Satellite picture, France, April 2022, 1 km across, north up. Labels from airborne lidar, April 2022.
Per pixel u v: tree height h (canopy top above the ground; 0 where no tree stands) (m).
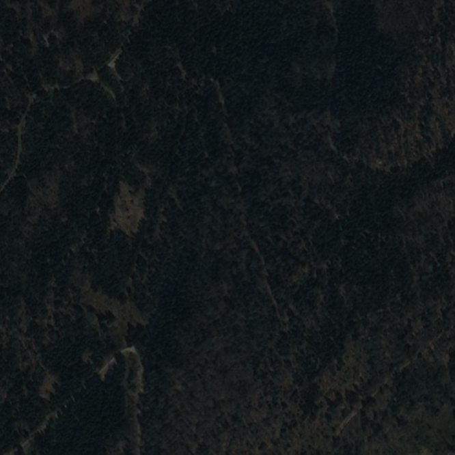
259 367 18
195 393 19
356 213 21
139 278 20
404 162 16
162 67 28
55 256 37
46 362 30
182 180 17
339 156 17
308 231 18
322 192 20
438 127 25
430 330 38
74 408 32
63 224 26
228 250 24
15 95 27
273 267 23
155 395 37
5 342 15
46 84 15
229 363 20
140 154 23
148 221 24
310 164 21
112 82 16
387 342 39
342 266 32
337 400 13
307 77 10
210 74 21
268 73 28
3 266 22
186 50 32
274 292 24
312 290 26
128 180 29
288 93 22
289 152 20
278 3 26
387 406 22
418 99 20
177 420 12
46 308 32
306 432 35
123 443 8
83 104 16
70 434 30
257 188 16
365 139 20
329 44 20
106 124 27
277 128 24
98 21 21
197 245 29
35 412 28
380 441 29
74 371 31
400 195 21
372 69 22
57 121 20
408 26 19
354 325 36
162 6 19
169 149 28
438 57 22
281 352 14
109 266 28
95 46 23
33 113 15
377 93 17
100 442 30
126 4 26
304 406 10
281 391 20
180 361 17
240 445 18
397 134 16
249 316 23
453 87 21
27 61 16
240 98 23
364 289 32
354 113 17
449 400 22
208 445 16
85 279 27
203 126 20
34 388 35
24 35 19
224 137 20
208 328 12
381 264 28
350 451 24
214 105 20
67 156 25
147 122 30
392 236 18
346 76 26
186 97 26
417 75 20
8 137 9
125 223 0
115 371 25
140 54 28
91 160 26
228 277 26
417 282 36
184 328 26
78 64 13
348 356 22
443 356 31
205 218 29
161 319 29
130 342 27
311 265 26
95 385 32
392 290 28
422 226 20
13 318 26
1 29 16
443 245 28
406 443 20
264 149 22
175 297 25
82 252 30
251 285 18
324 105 11
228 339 20
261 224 22
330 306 35
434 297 38
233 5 20
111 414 30
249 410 22
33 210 28
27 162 17
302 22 25
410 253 27
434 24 14
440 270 40
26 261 21
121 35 21
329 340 29
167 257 25
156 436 25
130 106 13
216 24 36
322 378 10
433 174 20
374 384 26
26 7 21
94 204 22
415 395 24
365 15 20
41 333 24
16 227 18
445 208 19
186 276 22
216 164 9
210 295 22
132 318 6
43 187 22
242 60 17
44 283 31
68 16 19
